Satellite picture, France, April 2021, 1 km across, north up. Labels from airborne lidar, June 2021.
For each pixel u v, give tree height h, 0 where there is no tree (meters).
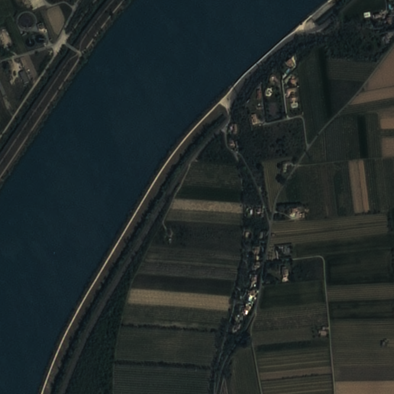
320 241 0
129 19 0
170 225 7
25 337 0
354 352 0
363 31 0
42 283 0
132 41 0
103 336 11
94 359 9
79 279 0
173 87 0
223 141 12
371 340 0
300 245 0
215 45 0
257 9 0
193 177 0
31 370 0
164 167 0
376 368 0
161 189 10
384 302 0
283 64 9
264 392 0
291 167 10
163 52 0
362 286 0
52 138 0
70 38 9
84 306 0
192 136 0
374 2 0
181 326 0
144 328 11
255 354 0
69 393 9
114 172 0
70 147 0
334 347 0
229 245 0
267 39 0
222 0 0
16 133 0
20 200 0
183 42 0
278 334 0
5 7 0
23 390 0
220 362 7
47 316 0
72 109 0
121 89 0
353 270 0
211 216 0
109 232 0
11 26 0
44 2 0
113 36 0
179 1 0
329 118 0
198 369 13
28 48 0
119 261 13
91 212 0
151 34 0
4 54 16
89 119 0
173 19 0
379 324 0
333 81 0
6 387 0
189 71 0
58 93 7
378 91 0
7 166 0
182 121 0
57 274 0
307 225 0
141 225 11
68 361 18
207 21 0
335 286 0
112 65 0
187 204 0
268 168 0
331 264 0
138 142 0
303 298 0
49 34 0
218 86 0
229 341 9
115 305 18
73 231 0
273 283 12
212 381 11
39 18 0
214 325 0
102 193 0
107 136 0
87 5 7
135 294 0
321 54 0
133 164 0
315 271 0
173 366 13
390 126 0
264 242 11
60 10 0
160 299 0
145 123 0
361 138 0
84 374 8
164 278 0
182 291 0
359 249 0
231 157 16
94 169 0
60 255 0
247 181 9
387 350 0
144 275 0
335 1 0
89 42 0
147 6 0
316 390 0
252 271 7
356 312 0
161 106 0
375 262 0
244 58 0
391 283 0
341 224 0
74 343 24
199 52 0
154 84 0
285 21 0
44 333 0
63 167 0
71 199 0
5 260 0
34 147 0
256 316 0
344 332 0
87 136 0
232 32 0
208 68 0
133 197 0
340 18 16
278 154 6
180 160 8
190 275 0
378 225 0
